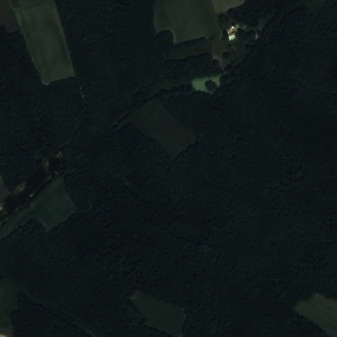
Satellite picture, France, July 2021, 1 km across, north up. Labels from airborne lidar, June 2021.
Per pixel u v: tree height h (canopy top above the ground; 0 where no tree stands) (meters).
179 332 0
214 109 21
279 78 21
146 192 22
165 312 0
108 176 26
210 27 0
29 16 0
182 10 0
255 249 21
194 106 24
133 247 22
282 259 23
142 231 26
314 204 21
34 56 0
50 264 17
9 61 19
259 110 24
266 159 20
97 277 18
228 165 20
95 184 24
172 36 18
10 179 18
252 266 26
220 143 19
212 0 0
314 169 21
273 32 7
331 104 20
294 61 20
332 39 18
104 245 17
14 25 0
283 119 20
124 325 16
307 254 19
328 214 22
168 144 0
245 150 19
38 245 19
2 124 16
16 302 0
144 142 22
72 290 24
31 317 21
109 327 27
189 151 17
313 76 20
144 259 19
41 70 0
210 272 21
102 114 23
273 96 23
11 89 22
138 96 27
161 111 0
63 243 16
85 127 22
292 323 15
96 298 23
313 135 20
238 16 21
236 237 21
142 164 20
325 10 7
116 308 21
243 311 12
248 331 16
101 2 9
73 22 16
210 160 18
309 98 25
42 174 0
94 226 9
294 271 18
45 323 18
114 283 17
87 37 7
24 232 21
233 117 13
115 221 25
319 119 19
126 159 22
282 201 19
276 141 24
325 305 0
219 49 0
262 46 18
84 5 19
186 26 0
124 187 21
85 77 17
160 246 20
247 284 19
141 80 24
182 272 26
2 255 16
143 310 0
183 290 20
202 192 21
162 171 16
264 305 14
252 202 17
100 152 22
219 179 21
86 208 20
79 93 6
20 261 21
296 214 21
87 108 20
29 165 23
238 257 17
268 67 20
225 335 19
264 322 11
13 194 0
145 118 0
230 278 27
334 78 17
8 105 21
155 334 14
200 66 24
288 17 17
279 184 12
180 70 22
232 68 25
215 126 22
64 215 0
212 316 10
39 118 19
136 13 18
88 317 24
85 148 27
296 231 14
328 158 23
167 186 22
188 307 8
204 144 20
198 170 20
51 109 16
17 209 0
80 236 17
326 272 16
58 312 6
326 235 16
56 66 0
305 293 19
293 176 7
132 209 24
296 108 27
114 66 21
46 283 19
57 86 12
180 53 0
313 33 15
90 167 25
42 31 0
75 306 22
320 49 11
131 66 23
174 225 11
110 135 25
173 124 0
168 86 0
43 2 0
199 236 6
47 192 0
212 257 24
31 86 20
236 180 22
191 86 16
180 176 15
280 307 19
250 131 22
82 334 21
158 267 17
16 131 21
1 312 0
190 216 25
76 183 21
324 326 0
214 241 22
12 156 19
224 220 22
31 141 26
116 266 6
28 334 23
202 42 13
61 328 15
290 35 17
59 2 16
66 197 0
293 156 15
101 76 15
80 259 23
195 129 18
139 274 18
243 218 19
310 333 20
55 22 0
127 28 26
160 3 0
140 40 23
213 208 23
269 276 24
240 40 0
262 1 22
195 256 26
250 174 21
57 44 0
